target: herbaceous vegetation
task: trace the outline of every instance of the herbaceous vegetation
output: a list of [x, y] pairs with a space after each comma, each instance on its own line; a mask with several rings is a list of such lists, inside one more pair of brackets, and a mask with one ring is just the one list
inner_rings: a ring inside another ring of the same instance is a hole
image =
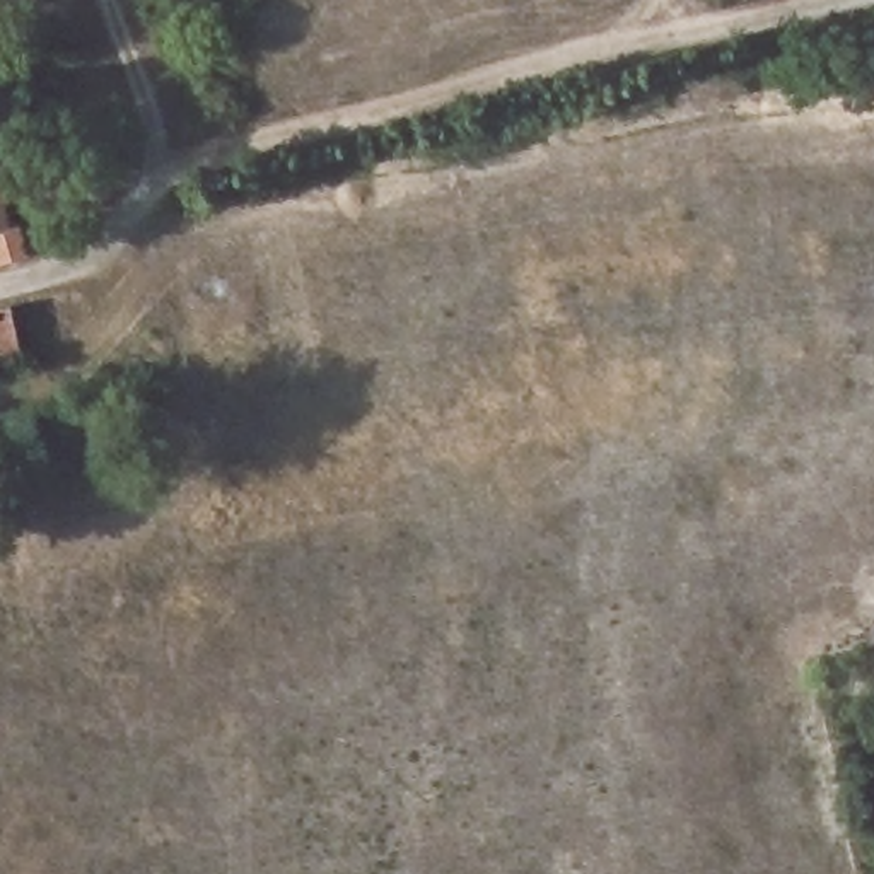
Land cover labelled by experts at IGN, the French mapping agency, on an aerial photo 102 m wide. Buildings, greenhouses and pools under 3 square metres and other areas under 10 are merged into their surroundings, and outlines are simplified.
[[372, 174], [355, 174], [345, 184], [314, 188], [307, 195], [283, 201], [229, 208], [212, 222], [195, 225], [188, 222], [174, 191], [174, 178], [184, 171], [191, 164], [191, 154], [215, 137], [219, 123], [201, 116], [184, 82], [171, 79], [167, 68], [150, 55], [150, 41], [130, 0], [31, 0], [34, 17], [20, 31], [31, 65], [27, 92], [48, 109], [68, 109], [75, 119], [79, 143], [96, 157], [96, 164], [106, 164], [109, 171], [106, 236], [113, 242], [96, 246], [85, 256], [99, 266], [96, 277], [44, 287], [38, 297], [55, 304], [61, 338], [75, 338], [85, 348], [82, 362], [58, 369], [61, 379], [79, 379], [89, 386], [106, 386], [109, 379], [133, 379], [143, 406], [167, 406], [184, 423], [184, 481], [137, 529], [79, 539], [48, 539], [38, 533], [24, 533], [17, 539], [14, 556], [0, 560], [0, 874], [874, 874], [874, 833], [850, 836], [847, 823], [840, 823], [836, 816], [836, 744], [826, 714], [819, 710], [819, 690], [826, 683], [819, 656], [840, 656], [854, 652], [857, 645], [874, 645], [874, 109], [850, 113], [843, 109], [843, 99], [833, 96], [816, 106], [795, 109], [782, 92], [768, 89], [748, 96], [737, 82], [710, 79], [690, 85], [673, 109], [656, 109], [638, 119], [594, 119], [574, 130], [553, 130], [543, 143], [481, 167], [437, 167], [427, 157], [382, 160]]

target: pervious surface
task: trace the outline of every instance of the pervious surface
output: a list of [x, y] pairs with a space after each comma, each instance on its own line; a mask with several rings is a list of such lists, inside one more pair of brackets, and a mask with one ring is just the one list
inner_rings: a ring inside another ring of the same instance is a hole
[[44, 287], [96, 277], [99, 266], [85, 256], [20, 263], [17, 270], [0, 273], [0, 300], [38, 297]]
[[731, 34], [755, 34], [775, 27], [792, 17], [816, 20], [840, 10], [874, 7], [874, 0], [635, 0], [615, 20], [615, 27], [601, 34], [584, 34], [550, 48], [522, 51], [516, 58], [457, 72], [396, 96], [379, 96], [355, 106], [263, 123], [253, 130], [253, 137], [215, 137], [191, 154], [191, 164], [184, 171], [222, 171], [229, 164], [232, 188], [239, 188], [249, 174], [249, 160], [259, 150], [287, 143], [311, 130], [379, 126], [399, 116], [437, 109], [464, 92], [495, 92], [509, 82], [553, 75], [570, 65], [611, 61], [632, 51], [710, 44]]

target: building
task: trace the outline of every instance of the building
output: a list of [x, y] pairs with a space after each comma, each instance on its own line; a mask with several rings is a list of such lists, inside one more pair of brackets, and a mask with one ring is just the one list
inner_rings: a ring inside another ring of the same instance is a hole
[[20, 263], [7, 246], [7, 236], [0, 232], [0, 273], [17, 270]]

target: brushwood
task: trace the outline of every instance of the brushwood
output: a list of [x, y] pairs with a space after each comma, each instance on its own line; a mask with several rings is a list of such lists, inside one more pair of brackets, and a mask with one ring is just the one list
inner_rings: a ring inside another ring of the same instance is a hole
[[836, 744], [836, 816], [840, 823], [847, 823], [850, 836], [874, 833], [874, 645], [857, 645], [854, 652], [840, 656], [819, 656], [826, 683], [819, 690], [819, 710], [826, 714]]
[[594, 119], [638, 119], [656, 109], [673, 109], [690, 85], [710, 79], [737, 82], [748, 96], [768, 89], [761, 85], [758, 65], [778, 55], [775, 27], [755, 34], [731, 34], [710, 44], [632, 51], [611, 61], [570, 65], [553, 75], [509, 82], [495, 92], [464, 92], [437, 109], [399, 116], [379, 126], [311, 130], [287, 143], [259, 150], [249, 160], [249, 174], [239, 188], [232, 188], [229, 164], [222, 171], [184, 171], [174, 178], [174, 191], [188, 222], [195, 225], [212, 222], [229, 208], [283, 201], [307, 195], [314, 188], [345, 184], [355, 174], [372, 174], [382, 160], [427, 157], [437, 167], [481, 167], [543, 143], [553, 130], [574, 130]]

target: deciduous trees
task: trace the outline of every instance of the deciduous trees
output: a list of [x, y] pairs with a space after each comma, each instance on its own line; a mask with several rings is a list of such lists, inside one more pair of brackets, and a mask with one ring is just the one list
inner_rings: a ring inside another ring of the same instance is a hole
[[48, 539], [79, 539], [137, 529], [184, 481], [184, 423], [167, 406], [143, 406], [133, 379], [109, 379], [106, 386], [89, 386], [79, 379], [61, 379], [58, 369], [82, 362], [85, 348], [75, 338], [61, 338], [55, 304], [38, 297], [0, 300], [0, 560], [14, 556], [17, 539], [24, 533], [38, 533]]
[[256, 82], [259, 65], [239, 61], [222, 24], [215, 24], [215, 17], [205, 10], [205, 0], [130, 0], [150, 41], [150, 55], [167, 68], [171, 79], [184, 82], [201, 116], [219, 123], [215, 137], [253, 137], [253, 130], [263, 123], [270, 113], [270, 99]]
[[833, 96], [843, 99], [843, 109], [850, 113], [874, 109], [874, 7], [840, 10], [816, 20], [792, 17], [775, 27], [778, 55], [758, 65], [761, 85], [768, 89], [782, 92], [795, 109], [816, 106]]
[[109, 171], [106, 164], [96, 164], [96, 157], [79, 143], [75, 119], [68, 109], [48, 109], [27, 92], [31, 65], [20, 31], [34, 17], [31, 0], [0, 0], [0, 232], [7, 236], [7, 246], [20, 263], [85, 256], [96, 246], [113, 242], [106, 236]]

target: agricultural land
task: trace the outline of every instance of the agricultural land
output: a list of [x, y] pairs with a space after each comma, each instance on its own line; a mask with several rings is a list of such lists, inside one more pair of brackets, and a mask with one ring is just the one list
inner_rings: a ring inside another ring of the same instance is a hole
[[215, 17], [215, 24], [222, 24], [239, 61], [259, 65], [256, 82], [270, 99], [270, 113], [263, 123], [355, 106], [379, 96], [396, 96], [457, 72], [516, 58], [522, 51], [550, 48], [584, 34], [601, 34], [615, 27], [615, 20], [635, 0], [205, 0], [205, 10]]

